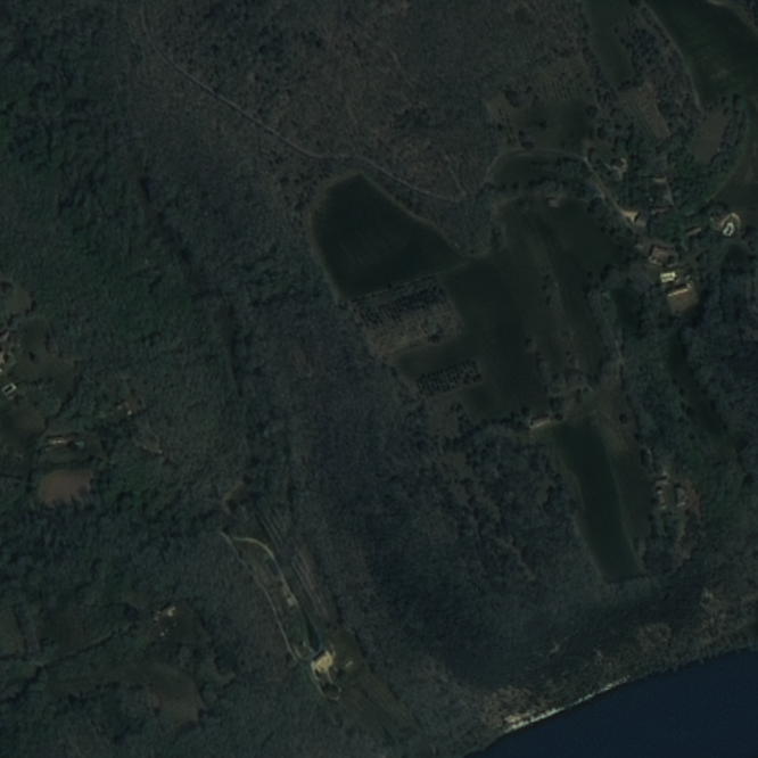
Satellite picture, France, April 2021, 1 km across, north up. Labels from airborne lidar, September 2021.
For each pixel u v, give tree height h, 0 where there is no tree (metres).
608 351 14
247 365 17
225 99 10
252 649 13
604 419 0
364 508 13
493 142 19
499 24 16
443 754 19
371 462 17
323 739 16
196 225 21
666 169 11
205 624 14
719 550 6
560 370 0
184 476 14
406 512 16
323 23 14
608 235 8
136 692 11
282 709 23
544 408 0
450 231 17
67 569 26
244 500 0
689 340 23
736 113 7
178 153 17
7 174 17
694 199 10
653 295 12
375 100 12
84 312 18
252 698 20
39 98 29
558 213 0
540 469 10
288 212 12
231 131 11
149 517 12
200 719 10
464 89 18
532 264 0
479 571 16
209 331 29
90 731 14
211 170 18
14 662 16
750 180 0
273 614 14
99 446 0
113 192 26
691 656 20
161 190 18
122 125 22
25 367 0
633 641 10
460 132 15
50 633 0
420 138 10
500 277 0
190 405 10
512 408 0
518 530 17
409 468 14
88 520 29
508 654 10
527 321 0
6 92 28
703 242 17
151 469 21
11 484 23
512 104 10
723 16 0
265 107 8
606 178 6
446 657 11
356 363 14
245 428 24
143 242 26
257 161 10
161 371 25
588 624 11
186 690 0
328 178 8
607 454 0
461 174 13
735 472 25
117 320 23
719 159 9
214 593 20
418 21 12
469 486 9
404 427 14
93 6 16
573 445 0
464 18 13
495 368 0
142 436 15
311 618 0
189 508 20
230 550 14
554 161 0
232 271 22
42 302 18
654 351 21
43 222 18
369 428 17
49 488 0
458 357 0
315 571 7
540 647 11
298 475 23
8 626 0
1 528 7
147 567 26
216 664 8
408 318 8
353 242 0
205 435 15
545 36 11
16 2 22
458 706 9
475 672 14
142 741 18
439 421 0
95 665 14
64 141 23
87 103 6
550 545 15
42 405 18
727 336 19
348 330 18
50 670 12
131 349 26
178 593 18
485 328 0
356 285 0
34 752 13
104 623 6
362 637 20
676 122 8
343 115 14
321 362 12
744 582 20
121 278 25
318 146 8
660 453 17
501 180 0
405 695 22
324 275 16
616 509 0
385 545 15
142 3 14
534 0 9
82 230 23
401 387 11
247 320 25
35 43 19
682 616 14
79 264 21
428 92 13
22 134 26
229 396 26
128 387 15
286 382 17
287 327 18
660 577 14
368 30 11
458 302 0
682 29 0
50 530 13
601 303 23
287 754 17
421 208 11
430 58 15
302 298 22
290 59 7
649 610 15
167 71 9
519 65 16
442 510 10
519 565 9
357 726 11
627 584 17
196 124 15
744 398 21
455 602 11
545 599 12
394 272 0
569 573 21
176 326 8
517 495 17
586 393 8
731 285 20
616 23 0
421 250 0
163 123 16
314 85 6
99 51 24
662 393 18
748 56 0
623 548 0
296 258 21
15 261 21
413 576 17
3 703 16
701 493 11
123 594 9
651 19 10
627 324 0
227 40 7
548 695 7
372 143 10
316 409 12
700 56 0
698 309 0
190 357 19
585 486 0
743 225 0
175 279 23
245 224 17
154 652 6
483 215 26
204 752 22
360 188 0
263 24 8
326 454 10
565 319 0
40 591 14
